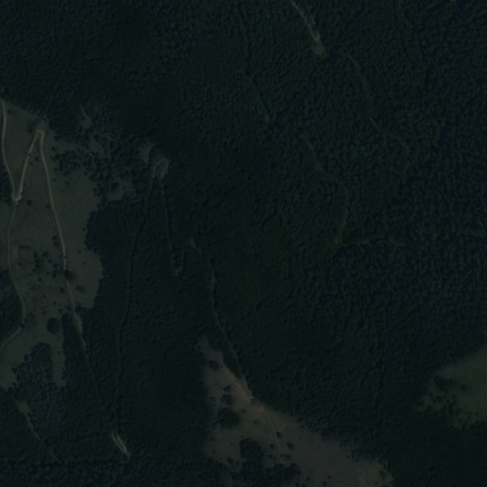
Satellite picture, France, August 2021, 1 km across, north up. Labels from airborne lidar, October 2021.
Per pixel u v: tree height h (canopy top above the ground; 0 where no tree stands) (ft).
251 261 83
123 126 45
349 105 53
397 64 90
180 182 69
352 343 104
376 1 69
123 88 62
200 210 84
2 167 41
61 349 0
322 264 60
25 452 77
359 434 65
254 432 0
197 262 36
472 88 97
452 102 93
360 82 35
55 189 0
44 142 0
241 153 103
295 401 61
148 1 89
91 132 43
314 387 85
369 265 64
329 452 0
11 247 0
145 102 72
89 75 53
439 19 82
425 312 96
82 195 0
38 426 57
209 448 0
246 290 73
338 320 89
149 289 71
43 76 61
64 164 40
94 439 68
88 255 0
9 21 65
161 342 82
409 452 68
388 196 82
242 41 74
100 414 70
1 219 0
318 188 63
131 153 56
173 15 78
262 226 69
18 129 0
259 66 105
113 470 92
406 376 77
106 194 47
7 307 33
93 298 0
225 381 0
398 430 37
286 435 0
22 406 0
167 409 64
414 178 20
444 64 107
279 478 46
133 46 89
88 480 88
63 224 0
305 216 60
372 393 92
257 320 100
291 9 35
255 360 74
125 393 65
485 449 53
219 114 82
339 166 104
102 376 57
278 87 93
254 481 50
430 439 32
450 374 0
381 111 37
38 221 0
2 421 66
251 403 0
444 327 84
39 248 0
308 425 23
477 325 57
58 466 106
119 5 100
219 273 75
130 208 58
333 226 98
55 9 87
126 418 70
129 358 71
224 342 58
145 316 70
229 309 77
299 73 93
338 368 83
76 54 66
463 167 65
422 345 90
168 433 63
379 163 62
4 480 69
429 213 120
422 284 90
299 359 70
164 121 73
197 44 81
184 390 50
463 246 59
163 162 0
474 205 44
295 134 53
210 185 73
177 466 72
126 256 51
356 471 0
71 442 66
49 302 0
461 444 81
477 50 97
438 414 39
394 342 89
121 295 69
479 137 97
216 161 50
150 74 49
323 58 49
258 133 95
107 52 76
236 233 81
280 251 38
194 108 96
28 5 61
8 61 61
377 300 100
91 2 95
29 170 0
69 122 60
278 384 94
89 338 59
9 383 0
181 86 52
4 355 0
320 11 95
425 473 81
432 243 103
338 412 38
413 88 88
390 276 83
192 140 74
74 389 34
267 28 71
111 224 66
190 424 64
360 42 82
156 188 47
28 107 45
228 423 58
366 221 72
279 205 71
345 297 88
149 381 43
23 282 0
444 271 97
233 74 84
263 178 96
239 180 78
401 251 73
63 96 51
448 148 64
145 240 61
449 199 53
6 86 51
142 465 75
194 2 20
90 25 75
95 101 59
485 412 0
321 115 74
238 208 87
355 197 101
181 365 60
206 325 40
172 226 52
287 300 79
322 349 76
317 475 0
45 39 56
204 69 70
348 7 72
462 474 66
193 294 54
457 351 67
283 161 87
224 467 52
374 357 107
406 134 106
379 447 36
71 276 54
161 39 69
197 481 88
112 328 53
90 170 39
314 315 86
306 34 60
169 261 66
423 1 116
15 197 0
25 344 0
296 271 82
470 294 57
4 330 49
